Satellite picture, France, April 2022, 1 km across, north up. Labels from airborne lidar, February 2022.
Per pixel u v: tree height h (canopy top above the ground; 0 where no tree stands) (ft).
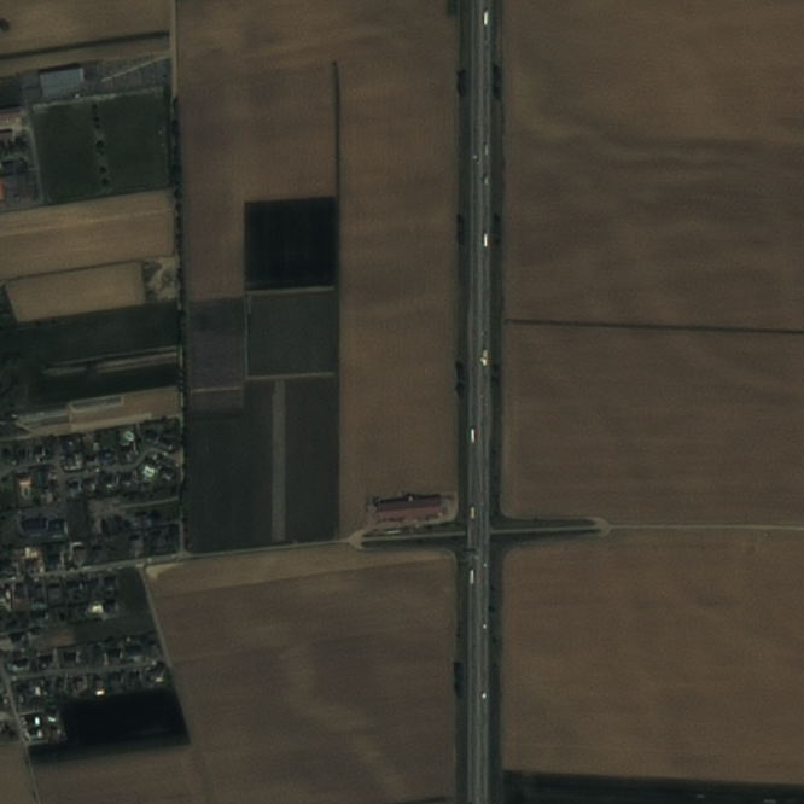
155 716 0
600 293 0
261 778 0
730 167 0
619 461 0
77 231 0
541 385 0
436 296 0
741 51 0
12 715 0
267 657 0
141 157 0
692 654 0
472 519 0
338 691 0
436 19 0
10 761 0
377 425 0
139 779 0
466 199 0
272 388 0
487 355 0
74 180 0
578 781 0
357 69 0
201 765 0
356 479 0
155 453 0
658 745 0
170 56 0
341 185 0
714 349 0
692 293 0
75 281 0
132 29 0
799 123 0
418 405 0
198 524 0
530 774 0
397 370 0
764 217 0
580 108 0
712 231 0
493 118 0
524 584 0
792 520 0
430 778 0
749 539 0
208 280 0
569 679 0
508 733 0
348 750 0
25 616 21
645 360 0
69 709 0
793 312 0
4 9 0
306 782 0
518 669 0
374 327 0
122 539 0
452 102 0
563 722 0
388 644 0
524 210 0
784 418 0
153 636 0
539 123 0
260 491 0
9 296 0
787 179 0
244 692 0
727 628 0
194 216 0
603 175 0
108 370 0
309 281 0
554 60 0
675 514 0
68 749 0
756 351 0
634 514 0
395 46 0
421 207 0
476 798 0
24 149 28
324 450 0
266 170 0
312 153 0
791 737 0
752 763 0
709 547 0
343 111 0
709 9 0
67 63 0
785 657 0
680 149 0
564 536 0
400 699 0
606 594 0
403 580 0
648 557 0
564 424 0
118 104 0
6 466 0
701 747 0
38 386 0
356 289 0
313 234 0
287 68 0
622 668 0
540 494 0
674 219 0
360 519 0
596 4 0
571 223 0
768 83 0
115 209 0
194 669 0
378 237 0
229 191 0
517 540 0
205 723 0
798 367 0
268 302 0
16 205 0
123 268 0
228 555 0
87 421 0
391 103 0
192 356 0
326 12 0
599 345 0
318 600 0
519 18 0
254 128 0
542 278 0
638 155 0
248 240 0
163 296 0
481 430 0
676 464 0
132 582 0
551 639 0
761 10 0
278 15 0
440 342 0
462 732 0
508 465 0
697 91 0
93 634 0
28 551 0
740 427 0
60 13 0
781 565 0
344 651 0
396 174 0
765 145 0
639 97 0
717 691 0
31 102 0
